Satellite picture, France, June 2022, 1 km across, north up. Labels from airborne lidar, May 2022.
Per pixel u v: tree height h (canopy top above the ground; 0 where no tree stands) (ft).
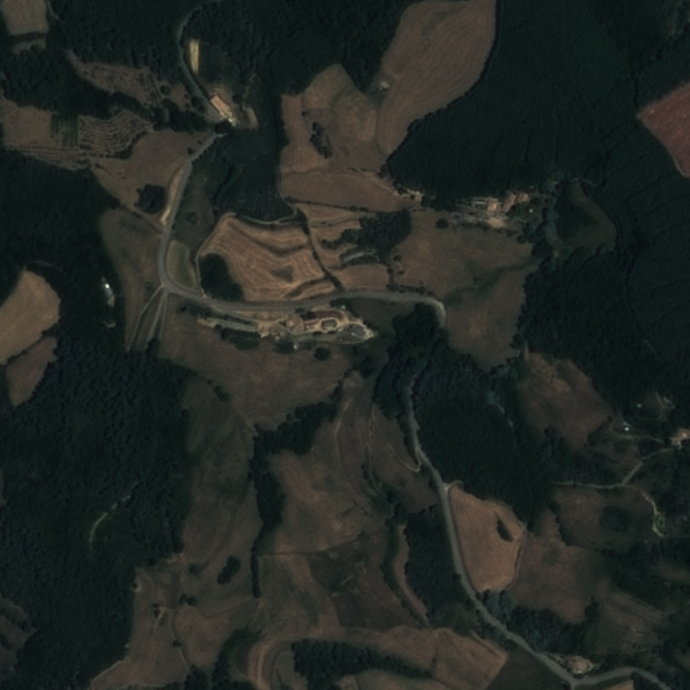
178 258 0
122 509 63
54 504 72
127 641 51
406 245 0
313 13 76
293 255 0
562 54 65
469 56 0
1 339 0
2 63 79
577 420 0
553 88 50
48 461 57
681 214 69
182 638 0
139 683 0
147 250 0
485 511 0
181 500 24
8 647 28
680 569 0
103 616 65
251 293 0
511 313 0
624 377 45
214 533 0
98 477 91
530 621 61
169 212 0
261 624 0
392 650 0
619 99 63
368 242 21
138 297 0
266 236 0
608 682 0
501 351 0
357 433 0
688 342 71
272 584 0
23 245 46
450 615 0
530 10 55
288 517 0
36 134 0
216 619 0
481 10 0
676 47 52
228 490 0
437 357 74
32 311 0
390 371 53
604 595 0
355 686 0
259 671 0
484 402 48
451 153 65
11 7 0
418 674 41
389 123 0
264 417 0
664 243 73
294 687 0
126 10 77
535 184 54
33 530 51
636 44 37
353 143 0
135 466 90
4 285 43
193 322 0
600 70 39
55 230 36
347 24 51
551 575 0
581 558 0
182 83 38
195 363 0
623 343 32
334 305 34
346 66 45
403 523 38
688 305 59
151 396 97
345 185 0
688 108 0
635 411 27
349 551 0
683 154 0
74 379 94
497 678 0
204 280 19
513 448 66
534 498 55
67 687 40
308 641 43
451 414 65
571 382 0
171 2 62
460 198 47
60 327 26
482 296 0
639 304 67
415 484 0
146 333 0
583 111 53
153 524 64
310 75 58
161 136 0
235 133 39
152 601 0
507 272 0
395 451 0
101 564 69
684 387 52
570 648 27
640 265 76
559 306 28
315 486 0
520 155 63
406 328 68
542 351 59
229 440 0
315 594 0
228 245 0
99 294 40
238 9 58
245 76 43
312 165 0
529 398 0
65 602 78
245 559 0
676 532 0
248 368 0
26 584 50
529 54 77
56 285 39
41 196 57
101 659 42
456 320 0
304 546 0
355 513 0
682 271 75
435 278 0
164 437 62
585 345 28
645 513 0
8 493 41
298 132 0
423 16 0
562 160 65
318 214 0
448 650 0
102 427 38
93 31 68
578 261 30
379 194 0
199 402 0
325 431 0
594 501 0
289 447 44
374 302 0
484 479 50
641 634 0
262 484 42
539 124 55
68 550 64
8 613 29
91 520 57
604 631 0
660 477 0
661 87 111
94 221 43
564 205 27
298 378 0
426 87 0
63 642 68
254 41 54
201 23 60
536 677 0
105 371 82
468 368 46
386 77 0
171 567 0
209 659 0
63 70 59
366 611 0
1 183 78
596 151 68
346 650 55
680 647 48
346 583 0
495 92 72
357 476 0
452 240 0
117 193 0
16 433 76
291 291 0
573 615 0
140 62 56
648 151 75
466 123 65
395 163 54
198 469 0
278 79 65
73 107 42
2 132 18
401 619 0
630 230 70
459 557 0
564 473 51
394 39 24
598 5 45
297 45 72
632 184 73
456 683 0
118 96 39
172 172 0
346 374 25
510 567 0
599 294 48
